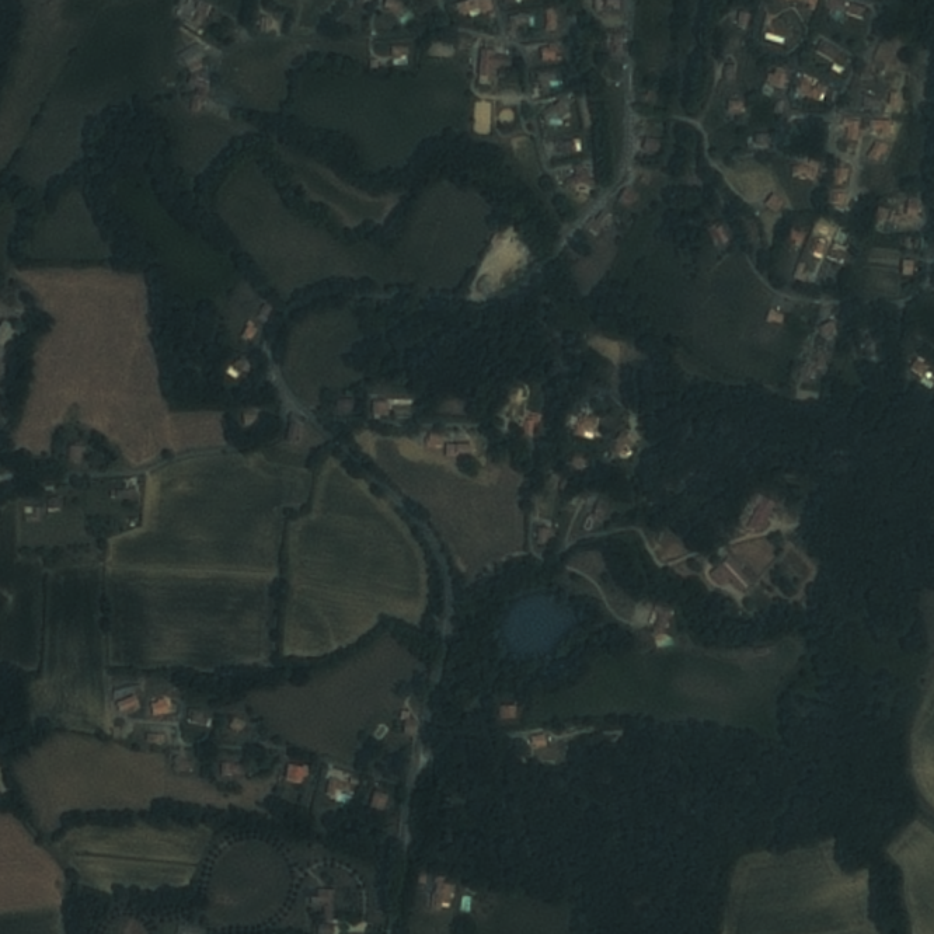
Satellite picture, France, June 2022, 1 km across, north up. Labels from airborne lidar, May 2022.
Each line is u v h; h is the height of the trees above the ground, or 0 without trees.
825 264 0
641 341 20
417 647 30
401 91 0
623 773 25
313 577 0
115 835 0
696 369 0
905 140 0
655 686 0
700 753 26
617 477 26
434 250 0
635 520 28
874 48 0
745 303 0
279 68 0
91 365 0
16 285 9
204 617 0
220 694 12
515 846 23
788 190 0
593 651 18
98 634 0
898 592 23
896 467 23
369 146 0
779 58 7
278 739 12
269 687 13
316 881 0
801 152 16
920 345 16
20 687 25
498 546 0
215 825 24
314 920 8
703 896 27
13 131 0
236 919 0
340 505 0
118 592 0
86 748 0
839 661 25
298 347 0
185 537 0
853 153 0
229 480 0
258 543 0
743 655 0
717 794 27
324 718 0
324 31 15
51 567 7
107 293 0
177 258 0
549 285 18
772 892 0
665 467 24
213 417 0
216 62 0
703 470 21
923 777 0
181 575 0
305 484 0
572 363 24
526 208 23
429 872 16
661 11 0
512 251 0
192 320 19
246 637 0
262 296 13
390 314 10
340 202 0
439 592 14
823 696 19
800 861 0
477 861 27
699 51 11
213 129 0
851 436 25
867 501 22
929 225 7
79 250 0
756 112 0
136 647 0
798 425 21
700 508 24
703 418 22
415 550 0
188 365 21
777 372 0
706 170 17
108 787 0
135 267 21
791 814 21
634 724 13
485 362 18
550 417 21
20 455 15
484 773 28
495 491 0
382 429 13
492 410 20
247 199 0
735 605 15
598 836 31
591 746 13
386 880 27
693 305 0
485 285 0
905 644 17
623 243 10
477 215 0
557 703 0
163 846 0
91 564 0
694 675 0
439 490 0
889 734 21
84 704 0
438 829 10
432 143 15
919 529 28
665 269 0
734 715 0
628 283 7
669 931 25
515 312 16
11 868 0
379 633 8
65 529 0
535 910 0
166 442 0
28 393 13
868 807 21
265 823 18
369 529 0
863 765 23
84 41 0
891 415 22
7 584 0
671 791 24
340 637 0
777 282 11
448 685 7
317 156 18
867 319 19
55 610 0
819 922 0
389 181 12
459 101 0
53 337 0
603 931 33
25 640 0
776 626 19
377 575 0
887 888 16
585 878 28
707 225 9
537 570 11
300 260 0
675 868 25
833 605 25
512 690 9
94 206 22
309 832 13
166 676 7
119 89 0
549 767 7
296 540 0
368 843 20
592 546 11
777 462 23
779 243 8
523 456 21
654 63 0
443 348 28
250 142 24
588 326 0
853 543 25
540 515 0
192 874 0
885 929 18
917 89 0
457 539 0
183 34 0
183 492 0
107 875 0
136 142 25
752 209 12
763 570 0
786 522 0
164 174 21
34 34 0
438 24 14
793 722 24
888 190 0
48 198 12
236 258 14
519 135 0
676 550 0
